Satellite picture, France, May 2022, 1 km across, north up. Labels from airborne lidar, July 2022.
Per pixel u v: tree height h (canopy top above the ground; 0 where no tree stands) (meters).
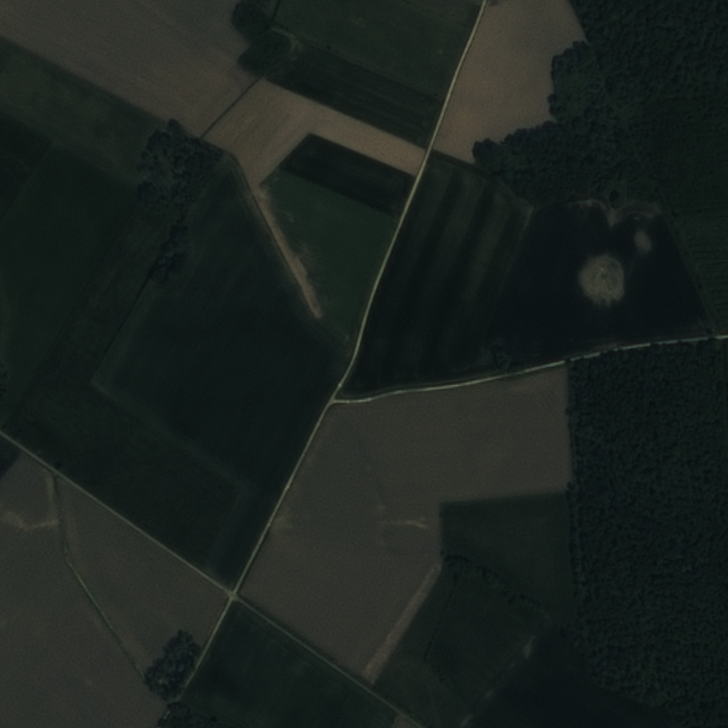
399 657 0
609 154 25
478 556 0
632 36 21
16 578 0
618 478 30
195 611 0
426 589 0
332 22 0
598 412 19
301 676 0
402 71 0
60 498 0
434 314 0
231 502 0
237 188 0
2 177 0
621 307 0
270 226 0
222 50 0
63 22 0
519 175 17
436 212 0
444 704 0
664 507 20
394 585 0
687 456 20
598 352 0
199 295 0
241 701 0
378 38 0
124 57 0
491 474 0
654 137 10
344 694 0
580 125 21
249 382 0
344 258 0
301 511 0
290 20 0
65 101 0
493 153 24
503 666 0
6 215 0
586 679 0
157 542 0
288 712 0
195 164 26
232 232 0
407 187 0
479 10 0
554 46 0
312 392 0
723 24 20
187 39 0
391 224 0
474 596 0
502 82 0
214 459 0
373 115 0
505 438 0
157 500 0
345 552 0
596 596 12
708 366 17
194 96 0
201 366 0
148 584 0
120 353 0
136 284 0
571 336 0
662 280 0
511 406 0
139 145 0
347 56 0
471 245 0
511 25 0
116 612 0
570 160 27
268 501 0
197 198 15
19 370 0
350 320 0
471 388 0
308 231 0
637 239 0
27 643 0
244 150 0
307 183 0
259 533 0
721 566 20
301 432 0
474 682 0
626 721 0
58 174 0
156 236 0
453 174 0
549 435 0
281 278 0
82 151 0
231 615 0
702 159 8
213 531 0
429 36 0
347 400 0
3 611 0
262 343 0
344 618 0
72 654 0
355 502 0
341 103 0
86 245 0
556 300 0
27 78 0
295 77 0
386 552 0
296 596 0
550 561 0
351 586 0
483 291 0
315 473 0
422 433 0
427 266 0
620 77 22
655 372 21
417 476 0
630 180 14
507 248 0
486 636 0
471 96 0
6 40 0
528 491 0
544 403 0
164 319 0
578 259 0
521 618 0
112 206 0
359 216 0
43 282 0
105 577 0
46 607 0
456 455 0
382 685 0
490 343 0
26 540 0
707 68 20
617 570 13
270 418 0
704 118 7
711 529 19
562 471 0
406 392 0
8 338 0
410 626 0
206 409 0
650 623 16
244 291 0
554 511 0
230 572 0
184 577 0
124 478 0
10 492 0
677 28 17
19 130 0
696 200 9
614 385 20
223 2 0
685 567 19
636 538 16
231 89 0
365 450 0
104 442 0
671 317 0
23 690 0
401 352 0
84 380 0
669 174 9
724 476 13
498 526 0
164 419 0
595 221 0
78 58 0
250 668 0
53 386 0
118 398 0
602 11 21
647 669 20
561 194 23
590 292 0
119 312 0
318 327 0
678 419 19
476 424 0
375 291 0
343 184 0
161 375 0
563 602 0
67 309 0
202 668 0
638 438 17
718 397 19
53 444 0
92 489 0
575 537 11
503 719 0
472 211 0
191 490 0
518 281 0
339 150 0
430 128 0
